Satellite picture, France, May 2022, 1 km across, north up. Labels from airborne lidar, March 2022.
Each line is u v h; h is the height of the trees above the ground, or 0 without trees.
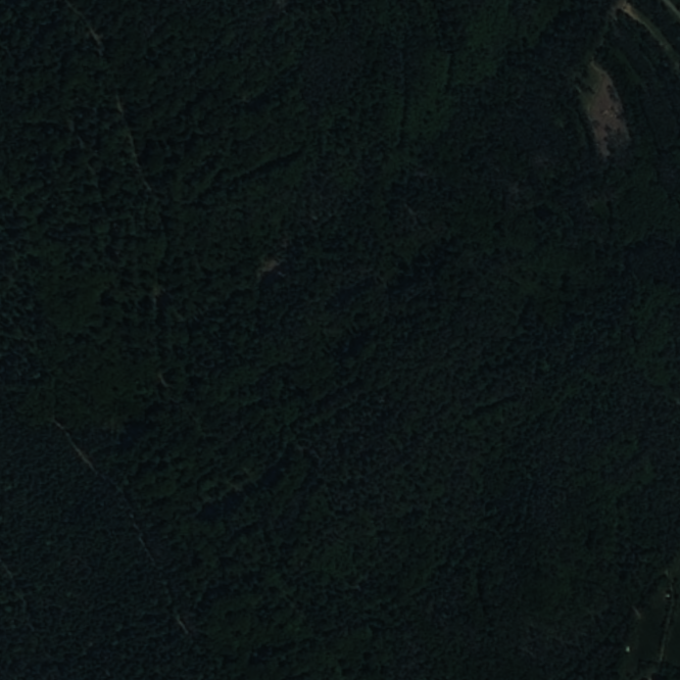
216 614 35
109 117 28
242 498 15
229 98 21
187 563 31
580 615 20
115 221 32
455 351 24
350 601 28
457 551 29
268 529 24
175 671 33
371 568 27
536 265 19
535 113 26
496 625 18
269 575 24
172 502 40
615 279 23
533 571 27
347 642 31
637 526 26
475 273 23
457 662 15
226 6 26
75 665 32
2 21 30
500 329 29
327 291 27
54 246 31
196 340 29
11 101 23
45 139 31
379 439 34
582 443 30
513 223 11
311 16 23
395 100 19
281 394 32
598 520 22
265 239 27
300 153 21
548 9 8
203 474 29
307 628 19
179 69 31
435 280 32
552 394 27
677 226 23
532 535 28
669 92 22
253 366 28
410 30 22
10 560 29
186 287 28
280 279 30
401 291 28
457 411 24
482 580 28
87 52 31
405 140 21
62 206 26
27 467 25
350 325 9
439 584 31
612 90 15
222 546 32
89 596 27
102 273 36
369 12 25
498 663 19
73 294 25
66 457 19
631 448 20
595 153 20
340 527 20
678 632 0
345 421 34
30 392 27
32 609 27
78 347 30
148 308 24
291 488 13
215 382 27
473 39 15
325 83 27
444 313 19
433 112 16
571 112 7
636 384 29
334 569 18
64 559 27
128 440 17
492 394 29
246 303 30
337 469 36
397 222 35
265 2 28
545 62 24
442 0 20
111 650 33
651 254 28
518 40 13
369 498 33
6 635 23
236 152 22
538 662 21
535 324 37
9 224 36
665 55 20
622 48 17
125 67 28
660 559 24
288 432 28
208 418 25
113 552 24
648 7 16
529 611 22
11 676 24
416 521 26
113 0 29
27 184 36
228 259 28
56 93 33
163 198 26
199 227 28
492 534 26
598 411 24
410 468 28
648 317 21
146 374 22
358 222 31
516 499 21
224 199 31
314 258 27
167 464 35
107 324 37
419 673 13
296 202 26
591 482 18
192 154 33
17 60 32
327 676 27
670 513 26
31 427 24
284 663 36
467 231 23
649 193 19
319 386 26
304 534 34
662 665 7
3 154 24
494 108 25
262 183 27
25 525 27
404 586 31
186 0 30
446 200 30
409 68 26
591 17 20
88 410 25
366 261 36
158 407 37
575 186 31
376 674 25
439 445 31
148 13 23
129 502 27
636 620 15
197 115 28
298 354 32
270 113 26
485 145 18
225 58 30
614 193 20
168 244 24
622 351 30
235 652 34
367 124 24
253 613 19
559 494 24
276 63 28
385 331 27
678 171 22
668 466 23
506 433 27
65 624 26
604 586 22
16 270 17
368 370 30
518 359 33
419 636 17
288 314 30
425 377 29
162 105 33
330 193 30
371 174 25
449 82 17
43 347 23
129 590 29
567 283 22
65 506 24
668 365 22
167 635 20
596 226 22
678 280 27
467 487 32
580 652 19
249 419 32
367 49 24
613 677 24
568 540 24
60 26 32
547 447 29
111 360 21
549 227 26
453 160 20
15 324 29
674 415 23
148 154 36
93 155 33
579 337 20
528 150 29
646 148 21
